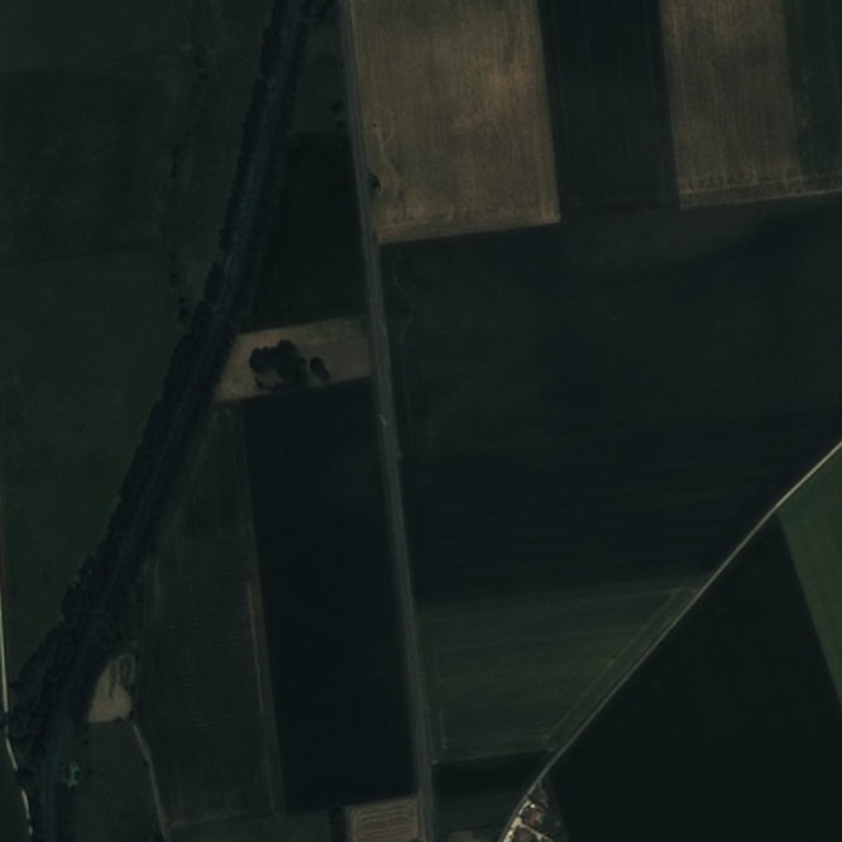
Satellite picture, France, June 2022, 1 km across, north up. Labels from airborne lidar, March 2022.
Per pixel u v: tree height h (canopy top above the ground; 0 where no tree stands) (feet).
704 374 0
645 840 0
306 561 0
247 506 0
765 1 0
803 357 0
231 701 0
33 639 0
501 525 0
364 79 0
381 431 0
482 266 0
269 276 0
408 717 0
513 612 0
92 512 0
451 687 0
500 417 0
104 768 0
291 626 0
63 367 0
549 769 0
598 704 0
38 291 0
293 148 0
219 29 0
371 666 0
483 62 0
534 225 0
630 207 0
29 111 0
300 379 57
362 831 0
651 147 0
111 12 0
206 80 34
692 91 0
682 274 0
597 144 0
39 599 0
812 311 0
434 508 0
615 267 0
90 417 0
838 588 0
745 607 0
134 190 0
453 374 0
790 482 0
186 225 0
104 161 0
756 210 0
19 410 0
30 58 0
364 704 0
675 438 0
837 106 0
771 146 0
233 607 0
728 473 0
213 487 0
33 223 0
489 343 0
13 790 0
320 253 0
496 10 0
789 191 0
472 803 0
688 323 0
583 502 0
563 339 0
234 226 82
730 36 0
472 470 0
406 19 0
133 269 0
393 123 0
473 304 0
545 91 0
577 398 0
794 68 0
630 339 0
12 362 0
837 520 0
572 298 0
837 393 0
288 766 0
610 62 0
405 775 0
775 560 0
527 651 0
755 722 0
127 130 0
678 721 0
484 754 0
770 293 0
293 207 0
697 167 0
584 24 0
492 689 0
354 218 0
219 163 0
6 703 0
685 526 0
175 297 0
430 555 0
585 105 0
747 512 0
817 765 0
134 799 0
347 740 0
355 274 0
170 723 0
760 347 0
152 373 0
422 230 0
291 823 0
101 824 0
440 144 0
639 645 0
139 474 72
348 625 0
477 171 0
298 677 0
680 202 0
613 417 0
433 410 0
